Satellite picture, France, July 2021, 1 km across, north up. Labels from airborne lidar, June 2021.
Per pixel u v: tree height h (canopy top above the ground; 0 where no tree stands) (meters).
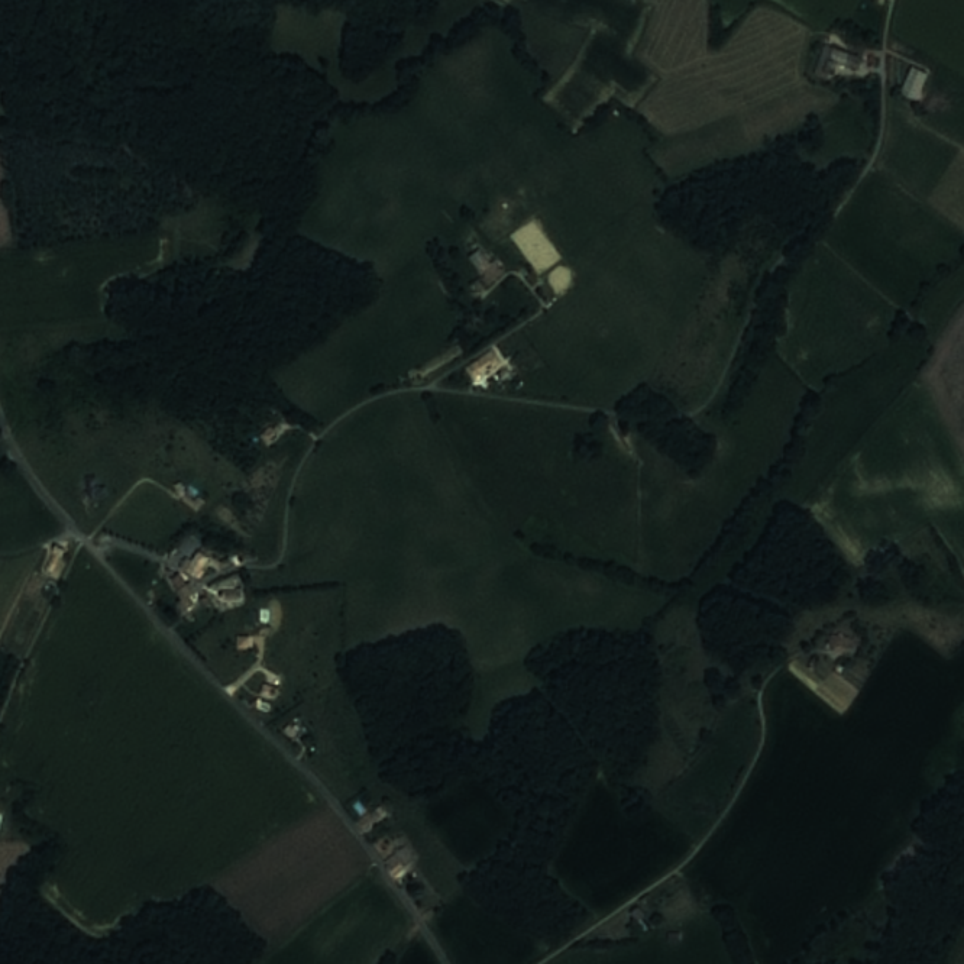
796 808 0
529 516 0
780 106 0
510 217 0
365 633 0
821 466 0
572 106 0
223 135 19
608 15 0
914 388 0
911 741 0
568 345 0
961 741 0
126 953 17
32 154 13
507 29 13
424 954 0
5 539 0
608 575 7
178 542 7
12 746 0
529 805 18
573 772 19
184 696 0
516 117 0
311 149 23
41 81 18
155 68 22
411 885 6
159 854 0
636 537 0
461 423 0
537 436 0
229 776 0
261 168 18
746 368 13
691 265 0
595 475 0
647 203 0
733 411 13
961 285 0
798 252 19
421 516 0
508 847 14
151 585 0
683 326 0
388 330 0
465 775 14
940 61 0
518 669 0
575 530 0
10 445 0
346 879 0
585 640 21
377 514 0
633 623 0
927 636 0
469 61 0
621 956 0
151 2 23
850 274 0
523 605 0
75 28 18
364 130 0
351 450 0
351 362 0
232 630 0
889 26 0
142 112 21
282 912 0
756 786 0
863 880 0
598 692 27
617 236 0
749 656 19
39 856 17
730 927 15
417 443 0
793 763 0
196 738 0
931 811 24
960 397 0
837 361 0
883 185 0
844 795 0
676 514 0
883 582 15
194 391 7
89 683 0
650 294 0
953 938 15
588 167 0
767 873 0
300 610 0
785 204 17
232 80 25
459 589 0
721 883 0
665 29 0
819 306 0
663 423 15
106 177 15
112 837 0
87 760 0
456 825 0
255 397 8
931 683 0
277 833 0
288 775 0
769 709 0
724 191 17
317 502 0
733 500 0
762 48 0
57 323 0
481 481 0
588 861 0
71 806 0
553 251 0
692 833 0
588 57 0
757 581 25
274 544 0
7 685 6
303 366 0
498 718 8
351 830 0
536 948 0
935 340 0
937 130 0
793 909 0
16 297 0
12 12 23
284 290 21
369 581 0
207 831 0
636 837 0
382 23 19
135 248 0
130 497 0
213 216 0
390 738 20
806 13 0
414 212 0
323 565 0
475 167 0
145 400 6
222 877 0
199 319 28
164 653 0
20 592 0
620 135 0
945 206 0
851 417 0
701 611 9
